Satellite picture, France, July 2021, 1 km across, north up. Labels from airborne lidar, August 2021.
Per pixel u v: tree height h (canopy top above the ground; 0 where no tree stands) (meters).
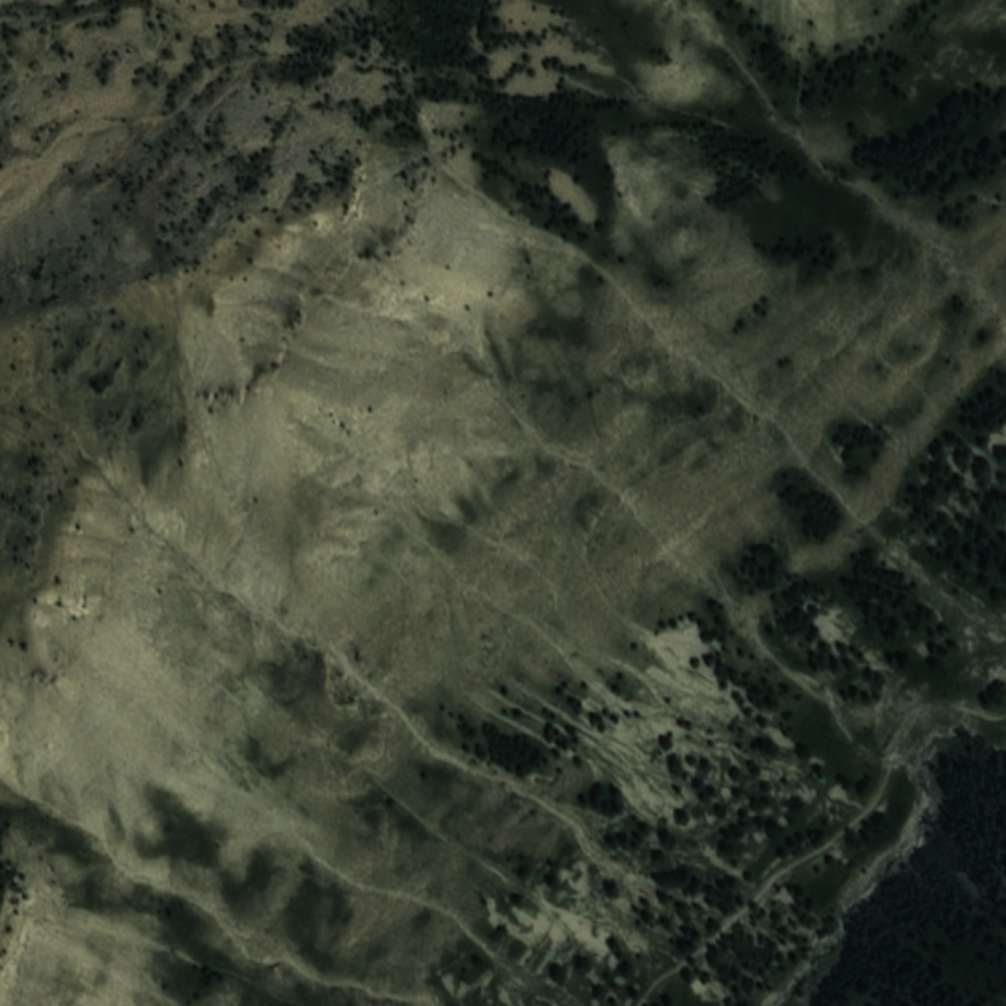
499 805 0
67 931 0
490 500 0
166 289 0
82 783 0
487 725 12
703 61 0
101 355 0
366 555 0
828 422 0
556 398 0
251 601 0
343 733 0
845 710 0
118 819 0
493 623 0
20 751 0
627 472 0
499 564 0
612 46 0
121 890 0
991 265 0
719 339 0
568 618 0
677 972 0
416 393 0
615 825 0
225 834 0
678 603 0
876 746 0
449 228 0
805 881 0
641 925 9
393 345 0
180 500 0
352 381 0
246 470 0
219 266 0
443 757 0
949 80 0
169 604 0
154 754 0
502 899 0
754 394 0
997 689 20
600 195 0
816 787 0
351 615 0
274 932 0
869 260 0
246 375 0
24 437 0
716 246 0
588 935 0
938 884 6
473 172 0
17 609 0
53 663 0
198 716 0
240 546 0
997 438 0
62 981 0
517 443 0
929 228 0
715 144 10
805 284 0
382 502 0
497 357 0
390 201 0
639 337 0
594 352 0
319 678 0
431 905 0
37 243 0
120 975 0
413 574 0
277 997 0
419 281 0
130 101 0
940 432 0
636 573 0
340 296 0
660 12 0
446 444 0
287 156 0
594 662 0
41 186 0
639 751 0
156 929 0
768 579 18
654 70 0
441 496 0
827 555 0
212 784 0
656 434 0
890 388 0
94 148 0
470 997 0
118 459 0
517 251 0
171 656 0
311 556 0
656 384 0
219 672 0
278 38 0
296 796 0
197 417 0
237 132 0
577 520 0
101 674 0
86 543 0
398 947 0
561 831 0
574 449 0
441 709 7
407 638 0
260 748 0
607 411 0
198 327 0
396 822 0
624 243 0
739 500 0
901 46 0
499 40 18
